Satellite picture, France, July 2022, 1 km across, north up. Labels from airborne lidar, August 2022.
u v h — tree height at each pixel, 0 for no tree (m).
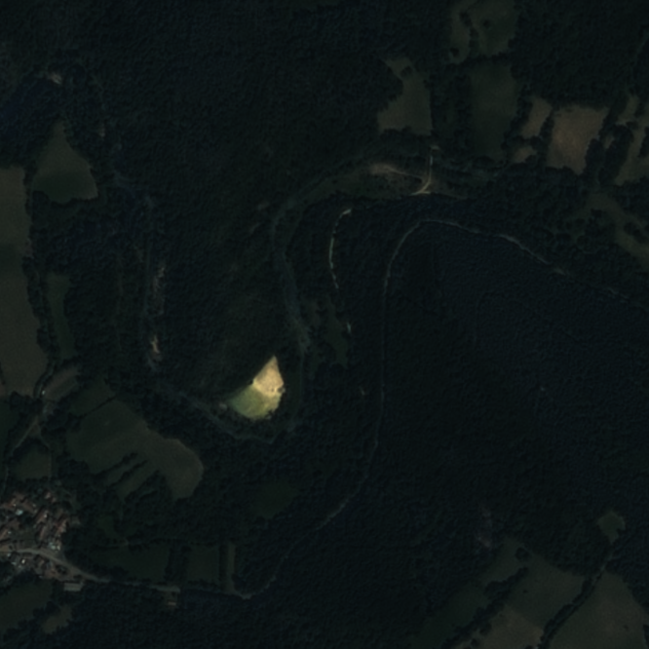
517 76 18
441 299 6
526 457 20
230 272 6
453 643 13
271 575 15
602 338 17
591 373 21
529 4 16
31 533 0
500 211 21
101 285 15
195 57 26
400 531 22
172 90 21
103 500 11
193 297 16
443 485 23
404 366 17
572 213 15
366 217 13
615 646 0
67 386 0
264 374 0
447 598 18
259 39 12
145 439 0
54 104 24
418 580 7
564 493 18
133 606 22
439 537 15
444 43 21
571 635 0
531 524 15
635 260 8
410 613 25
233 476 23
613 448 17
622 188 9
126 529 11
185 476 0
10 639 10
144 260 12
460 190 13
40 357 0
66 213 28
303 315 11
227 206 10
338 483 19
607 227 10
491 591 12
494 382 16
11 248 0
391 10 17
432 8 12
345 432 9
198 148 21
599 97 14
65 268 32
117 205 18
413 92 0
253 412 0
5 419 0
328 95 23
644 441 18
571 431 21
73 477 18
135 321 15
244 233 17
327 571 21
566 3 14
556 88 7
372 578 19
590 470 20
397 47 26
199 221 11
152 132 23
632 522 20
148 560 0
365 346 21
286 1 22
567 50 18
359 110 18
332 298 15
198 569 0
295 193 11
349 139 20
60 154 0
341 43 31
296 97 21
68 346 0
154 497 10
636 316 24
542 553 11
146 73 15
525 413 22
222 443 20
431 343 21
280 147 21
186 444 10
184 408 14
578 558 8
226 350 7
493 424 21
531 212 13
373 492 19
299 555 18
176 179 13
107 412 0
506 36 0
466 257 19
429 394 19
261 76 10
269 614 17
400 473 22
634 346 11
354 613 23
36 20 22
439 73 18
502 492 23
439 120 21
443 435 23
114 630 18
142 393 23
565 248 27
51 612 15
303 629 10
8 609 0
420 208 7
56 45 13
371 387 13
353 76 12
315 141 22
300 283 12
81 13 21
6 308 0
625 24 14
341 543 20
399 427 21
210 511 11
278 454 11
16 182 0
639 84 18
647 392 9
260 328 9
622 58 11
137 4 23
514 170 19
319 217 9
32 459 0
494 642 0
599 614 0
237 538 14
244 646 24
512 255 19
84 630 17
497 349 18
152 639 7
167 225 15
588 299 24
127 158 21
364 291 15
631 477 15
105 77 21
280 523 15
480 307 18
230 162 14
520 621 0
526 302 21
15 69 9
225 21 21
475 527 0
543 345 21
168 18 19
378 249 6
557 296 21
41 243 21
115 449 0
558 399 20
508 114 0
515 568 0
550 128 17
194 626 15
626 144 24
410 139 17
